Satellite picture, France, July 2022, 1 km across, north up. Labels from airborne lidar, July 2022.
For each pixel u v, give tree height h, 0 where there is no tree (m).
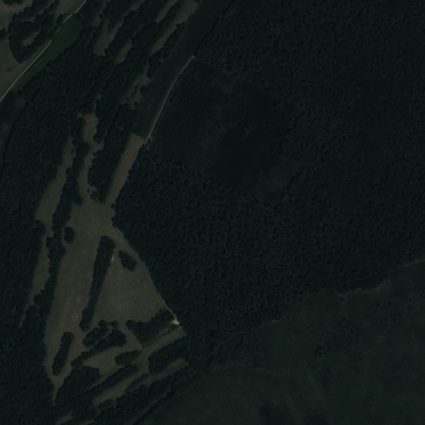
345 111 21
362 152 20
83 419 16
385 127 24
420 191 18
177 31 9
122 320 0
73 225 0
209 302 23
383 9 20
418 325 0
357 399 0
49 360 0
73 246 0
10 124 0
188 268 19
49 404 14
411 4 18
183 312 16
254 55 19
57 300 0
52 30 10
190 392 0
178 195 21
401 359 0
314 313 0
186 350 15
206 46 19
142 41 17
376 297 0
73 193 19
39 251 15
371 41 22
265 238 20
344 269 21
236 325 17
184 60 0
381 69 20
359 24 19
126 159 0
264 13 22
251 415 0
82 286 0
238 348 12
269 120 7
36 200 14
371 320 0
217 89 6
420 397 0
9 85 0
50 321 0
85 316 14
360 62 22
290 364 0
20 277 19
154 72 12
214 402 0
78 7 0
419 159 19
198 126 8
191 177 21
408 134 19
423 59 20
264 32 22
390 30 21
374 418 0
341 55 22
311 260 19
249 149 9
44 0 12
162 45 0
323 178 23
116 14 18
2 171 13
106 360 0
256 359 11
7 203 25
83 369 12
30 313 20
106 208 0
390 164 25
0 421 20
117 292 0
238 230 20
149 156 20
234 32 19
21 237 21
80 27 0
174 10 13
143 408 20
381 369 0
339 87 21
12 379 22
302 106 22
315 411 0
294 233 17
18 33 19
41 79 20
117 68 16
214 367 17
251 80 19
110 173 13
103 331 18
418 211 20
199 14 0
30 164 24
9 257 23
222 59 19
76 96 23
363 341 0
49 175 20
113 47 21
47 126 21
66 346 12
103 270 14
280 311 15
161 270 23
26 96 18
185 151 8
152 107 0
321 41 21
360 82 22
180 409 0
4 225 27
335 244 19
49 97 24
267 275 20
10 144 20
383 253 23
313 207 20
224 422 0
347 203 22
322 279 19
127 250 0
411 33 22
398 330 0
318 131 19
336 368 0
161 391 23
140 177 19
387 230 20
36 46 20
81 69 20
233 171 7
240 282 20
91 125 0
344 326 12
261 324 18
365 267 22
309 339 0
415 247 17
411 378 0
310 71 22
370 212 19
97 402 0
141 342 7
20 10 0
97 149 0
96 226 0
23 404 17
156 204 22
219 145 6
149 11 19
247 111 6
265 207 19
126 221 20
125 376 14
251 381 0
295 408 0
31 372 17
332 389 0
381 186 27
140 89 0
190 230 21
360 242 20
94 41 8
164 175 19
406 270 0
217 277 22
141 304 0
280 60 19
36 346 17
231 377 0
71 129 19
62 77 19
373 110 25
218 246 17
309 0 20
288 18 22
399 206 22
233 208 20
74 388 15
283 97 23
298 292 21
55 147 22
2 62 0
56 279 12
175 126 6
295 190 20
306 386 0
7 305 22
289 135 22
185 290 20
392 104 20
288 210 20
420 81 18
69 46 0
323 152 16
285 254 18
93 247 0
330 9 19
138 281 0
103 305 0
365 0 19
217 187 17
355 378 0
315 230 18
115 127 14
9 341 23
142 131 0
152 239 17
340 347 11
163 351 10
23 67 0
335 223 18
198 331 16
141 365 0
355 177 23
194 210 17
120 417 18
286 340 0
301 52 21
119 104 19
